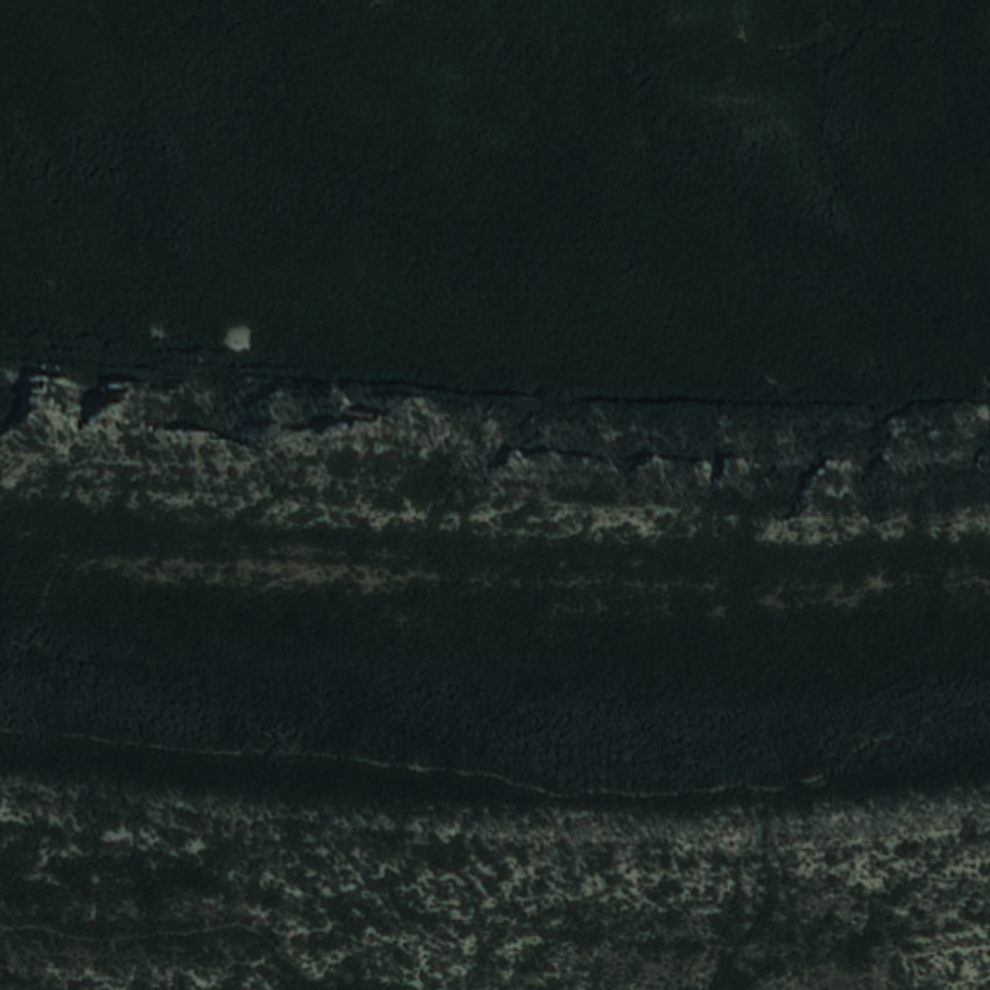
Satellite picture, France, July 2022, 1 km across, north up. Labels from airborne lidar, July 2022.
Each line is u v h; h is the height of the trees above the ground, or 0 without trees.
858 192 8
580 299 9
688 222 10
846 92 6
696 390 12
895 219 8
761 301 8
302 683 11
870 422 13
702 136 8
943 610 8
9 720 12
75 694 11
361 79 8
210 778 7
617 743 15
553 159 8
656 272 12
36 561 8
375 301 8
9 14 6
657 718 16
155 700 11
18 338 13
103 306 9
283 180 11
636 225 10
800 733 12
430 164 9
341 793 8
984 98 9
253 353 9
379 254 10
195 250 7
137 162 10
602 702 11
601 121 8
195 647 8
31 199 8
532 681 12
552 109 6
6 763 7
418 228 10
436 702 16
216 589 7
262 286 8
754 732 11
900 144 8
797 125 8
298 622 6
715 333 10
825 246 11
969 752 6
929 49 10
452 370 10
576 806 7
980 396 9
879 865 5
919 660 7
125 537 6
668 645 6
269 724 12
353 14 11
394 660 7
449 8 9
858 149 6
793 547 7
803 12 11
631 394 9
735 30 5
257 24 10
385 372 11
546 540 6
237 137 11
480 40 9
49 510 6
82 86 5
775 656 6
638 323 8
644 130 7
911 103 9
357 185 12
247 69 8
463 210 9
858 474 7
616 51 9
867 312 10
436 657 10
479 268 10
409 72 7
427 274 8
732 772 12
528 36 9
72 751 7
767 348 10
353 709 8
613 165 10
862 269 9
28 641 11
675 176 10
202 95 7
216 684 12
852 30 9
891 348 10
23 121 10
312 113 9
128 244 10
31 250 10
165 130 6
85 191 8
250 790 6
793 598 6
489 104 8
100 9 6
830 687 10
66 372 7
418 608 5
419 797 7
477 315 10
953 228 7
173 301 8
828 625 6
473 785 9
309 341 10
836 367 10
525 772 8
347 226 8
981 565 6
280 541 7
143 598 6
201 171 8
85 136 8
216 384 9
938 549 8
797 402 10
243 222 8
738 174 10
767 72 5
